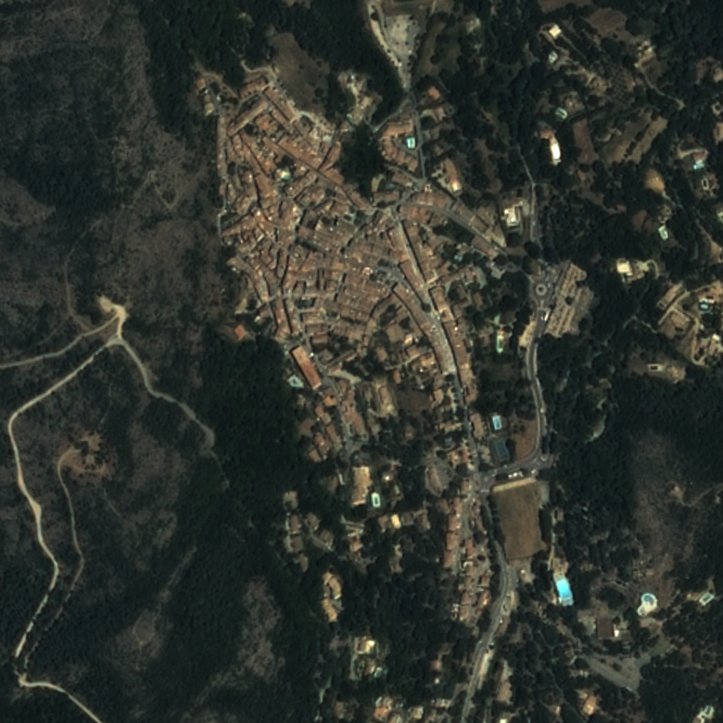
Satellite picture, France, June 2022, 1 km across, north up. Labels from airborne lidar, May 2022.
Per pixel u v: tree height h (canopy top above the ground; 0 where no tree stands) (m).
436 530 11
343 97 9
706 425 14
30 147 7
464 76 11
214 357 11
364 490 0
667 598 0
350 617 16
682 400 18
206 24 8
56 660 15
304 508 12
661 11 8
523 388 10
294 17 12
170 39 20
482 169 11
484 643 0
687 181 10
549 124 12
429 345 6
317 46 12
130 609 7
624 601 14
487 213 0
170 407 9
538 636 10
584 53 6
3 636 9
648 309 13
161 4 9
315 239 0
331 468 11
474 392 0
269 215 0
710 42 7
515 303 18
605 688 12
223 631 11
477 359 10
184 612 9
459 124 13
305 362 0
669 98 10
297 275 0
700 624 7
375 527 14
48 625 12
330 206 0
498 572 10
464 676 12
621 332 11
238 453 13
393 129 0
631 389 10
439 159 7
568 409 16
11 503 5
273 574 10
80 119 6
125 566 8
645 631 9
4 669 6
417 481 12
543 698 13
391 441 8
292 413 15
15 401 7
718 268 12
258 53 10
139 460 0
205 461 10
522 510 0
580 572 12
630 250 14
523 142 14
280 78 0
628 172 13
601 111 9
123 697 6
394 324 0
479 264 8
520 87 20
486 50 14
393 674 13
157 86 13
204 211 12
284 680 9
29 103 5
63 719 8
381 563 15
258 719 6
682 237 15
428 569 12
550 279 0
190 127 17
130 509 6
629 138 0
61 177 13
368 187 12
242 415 14
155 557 9
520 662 11
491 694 12
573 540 18
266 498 19
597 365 14
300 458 20
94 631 15
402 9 0
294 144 0
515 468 0
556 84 10
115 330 0
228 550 16
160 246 0
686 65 14
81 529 8
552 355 16
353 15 13
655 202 11
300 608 16
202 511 10
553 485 6
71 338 5
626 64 13
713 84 11
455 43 0
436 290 0
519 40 14
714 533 11
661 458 0
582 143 0
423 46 5
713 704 10
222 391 12
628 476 10
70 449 0
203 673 11
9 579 8
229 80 7
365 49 17
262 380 14
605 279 18
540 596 15
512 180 7
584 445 11
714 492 7
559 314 0
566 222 7
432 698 15
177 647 7
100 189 7
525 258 8
